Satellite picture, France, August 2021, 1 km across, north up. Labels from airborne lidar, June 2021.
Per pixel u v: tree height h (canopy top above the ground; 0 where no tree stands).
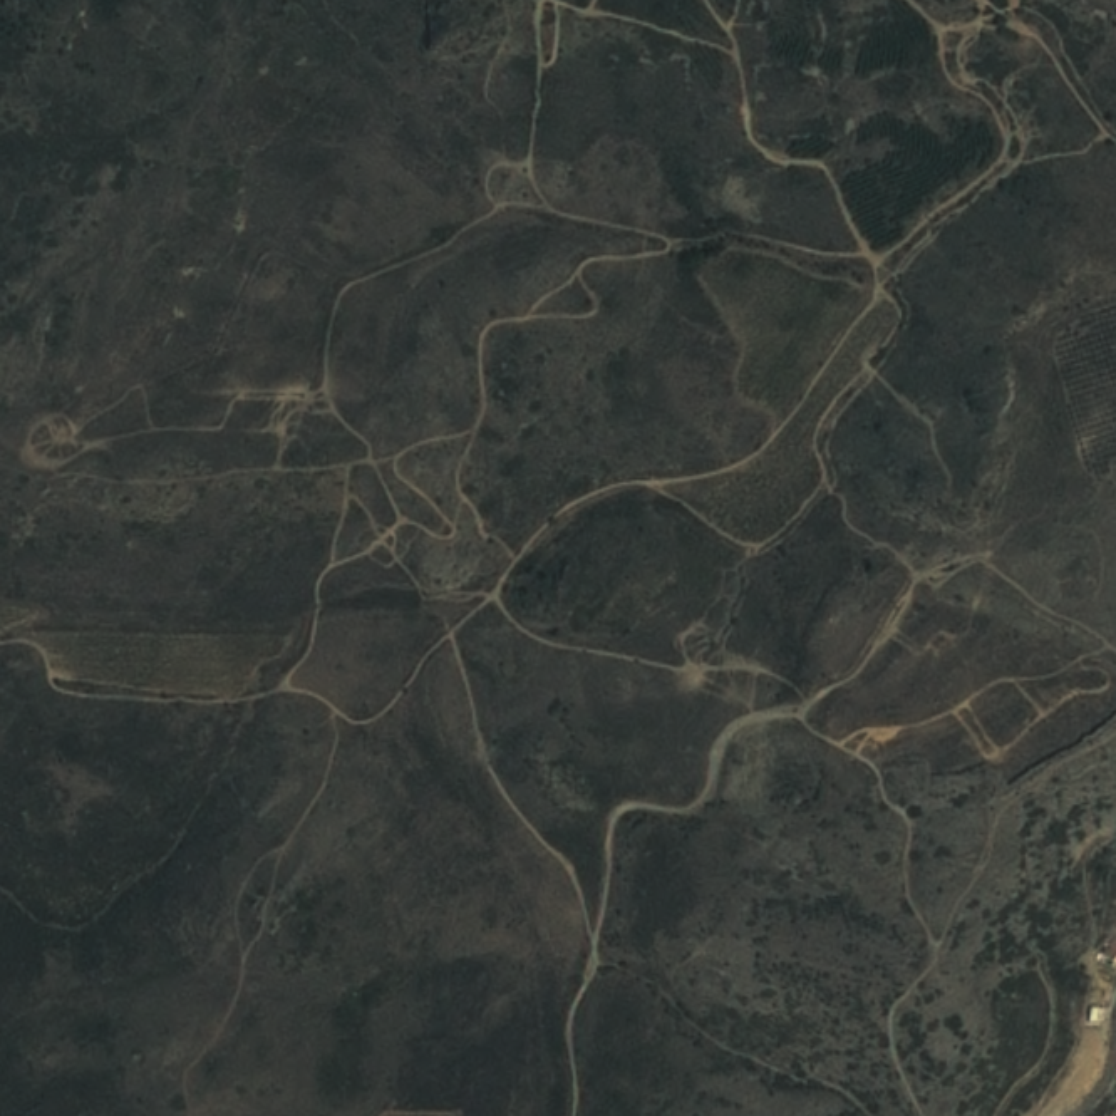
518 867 0
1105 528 0
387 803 0
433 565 0
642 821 6
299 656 0
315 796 0
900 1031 0
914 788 0
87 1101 0
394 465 0
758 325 0
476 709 0
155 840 0
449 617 0
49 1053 0
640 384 0
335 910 0
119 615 0
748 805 0
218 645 0
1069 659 0
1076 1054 0
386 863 0
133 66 0
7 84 0
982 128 5
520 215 0
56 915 0
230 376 0
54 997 0
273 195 0
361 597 0
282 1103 0
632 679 0
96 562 0
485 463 0
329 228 0
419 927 0
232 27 0
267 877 0
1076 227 0
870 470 0
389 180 0
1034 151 0
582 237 0
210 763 0
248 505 0
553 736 0
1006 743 0
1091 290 0
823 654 0
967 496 0
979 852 0
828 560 0
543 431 0
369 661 0
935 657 0
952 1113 0
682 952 0
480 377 0
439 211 0
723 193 0
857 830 0
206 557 0
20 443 0
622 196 0
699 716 0
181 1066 0
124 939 0
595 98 0
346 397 0
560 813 0
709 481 0
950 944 0
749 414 0
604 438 0
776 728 0
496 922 0
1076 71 0
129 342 0
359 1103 0
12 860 0
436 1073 0
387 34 0
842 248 0
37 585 0
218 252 0
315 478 0
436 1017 0
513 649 0
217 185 0
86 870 0
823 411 0
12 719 0
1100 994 0
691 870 0
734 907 0
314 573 0
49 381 0
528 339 0
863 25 0
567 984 0
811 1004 0
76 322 0
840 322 0
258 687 0
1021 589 0
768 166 0
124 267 0
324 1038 0
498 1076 0
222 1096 0
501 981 0
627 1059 0
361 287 0
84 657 0
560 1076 0
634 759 0
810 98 0
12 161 0
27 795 0
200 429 0
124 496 0
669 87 0
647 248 0
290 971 0
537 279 0
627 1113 0
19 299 0
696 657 0
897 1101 0
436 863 0
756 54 0
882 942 0
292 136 0
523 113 0
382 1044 0
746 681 0
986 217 0
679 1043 0
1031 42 0
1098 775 0
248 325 0
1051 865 0
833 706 0
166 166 0
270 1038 0
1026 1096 0
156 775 0
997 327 0
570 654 0
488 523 0
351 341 0
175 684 0
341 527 0
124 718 0
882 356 6
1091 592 0
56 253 0
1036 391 0
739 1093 0
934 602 0
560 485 0
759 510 0
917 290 0
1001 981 0
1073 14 0
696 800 0
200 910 0
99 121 0
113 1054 0
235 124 0
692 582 0
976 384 0
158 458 0
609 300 0
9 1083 0
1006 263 0
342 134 0
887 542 0
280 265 0
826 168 0
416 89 0
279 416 0
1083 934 0
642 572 0
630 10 0
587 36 0
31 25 6
